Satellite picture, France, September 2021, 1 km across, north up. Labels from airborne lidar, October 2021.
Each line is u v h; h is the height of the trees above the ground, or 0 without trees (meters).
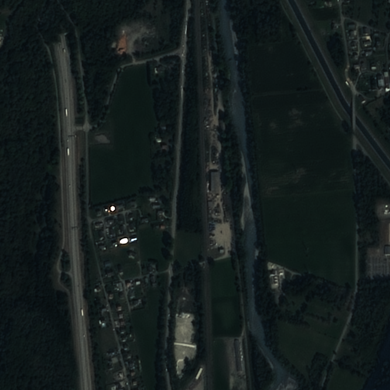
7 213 32
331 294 32
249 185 0
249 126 19
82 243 10
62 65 0
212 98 0
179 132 0
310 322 0
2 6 23
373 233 7
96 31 9
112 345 0
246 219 0
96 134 0
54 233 23
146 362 0
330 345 0
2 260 19
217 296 0
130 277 0
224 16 0
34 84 17
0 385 24
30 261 23
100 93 6
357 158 23
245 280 12
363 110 7
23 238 14
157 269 8
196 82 23
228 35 0
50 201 23
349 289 18
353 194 0
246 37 24
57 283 0
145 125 0
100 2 24
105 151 0
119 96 0
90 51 15
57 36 10
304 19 0
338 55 19
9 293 26
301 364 0
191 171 20
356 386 0
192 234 7
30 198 20
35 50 13
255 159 9
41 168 14
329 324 11
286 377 0
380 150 0
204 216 0
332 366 11
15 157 29
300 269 0
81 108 15
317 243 0
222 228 0
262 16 23
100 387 9
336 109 0
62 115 0
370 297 12
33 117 27
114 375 0
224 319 0
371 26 10
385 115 10
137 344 0
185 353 0
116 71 0
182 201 20
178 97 10
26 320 15
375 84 9
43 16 17
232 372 0
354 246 0
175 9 17
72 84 0
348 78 0
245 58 24
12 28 24
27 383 26
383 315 19
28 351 20
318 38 0
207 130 0
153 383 0
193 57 19
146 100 0
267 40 28
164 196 0
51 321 16
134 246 0
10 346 19
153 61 7
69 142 0
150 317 0
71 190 0
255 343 15
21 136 21
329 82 0
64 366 18
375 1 14
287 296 17
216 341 0
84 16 17
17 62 19
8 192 27
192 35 16
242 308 0
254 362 25
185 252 0
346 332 0
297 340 0
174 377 14
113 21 30
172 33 10
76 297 0
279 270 0
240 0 26
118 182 0
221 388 0
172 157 12
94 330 13
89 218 0
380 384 34
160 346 18
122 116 0
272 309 20
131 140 0
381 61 0
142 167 0
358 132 0
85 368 0
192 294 6
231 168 18
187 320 0
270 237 0
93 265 0
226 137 17
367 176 28
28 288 21
